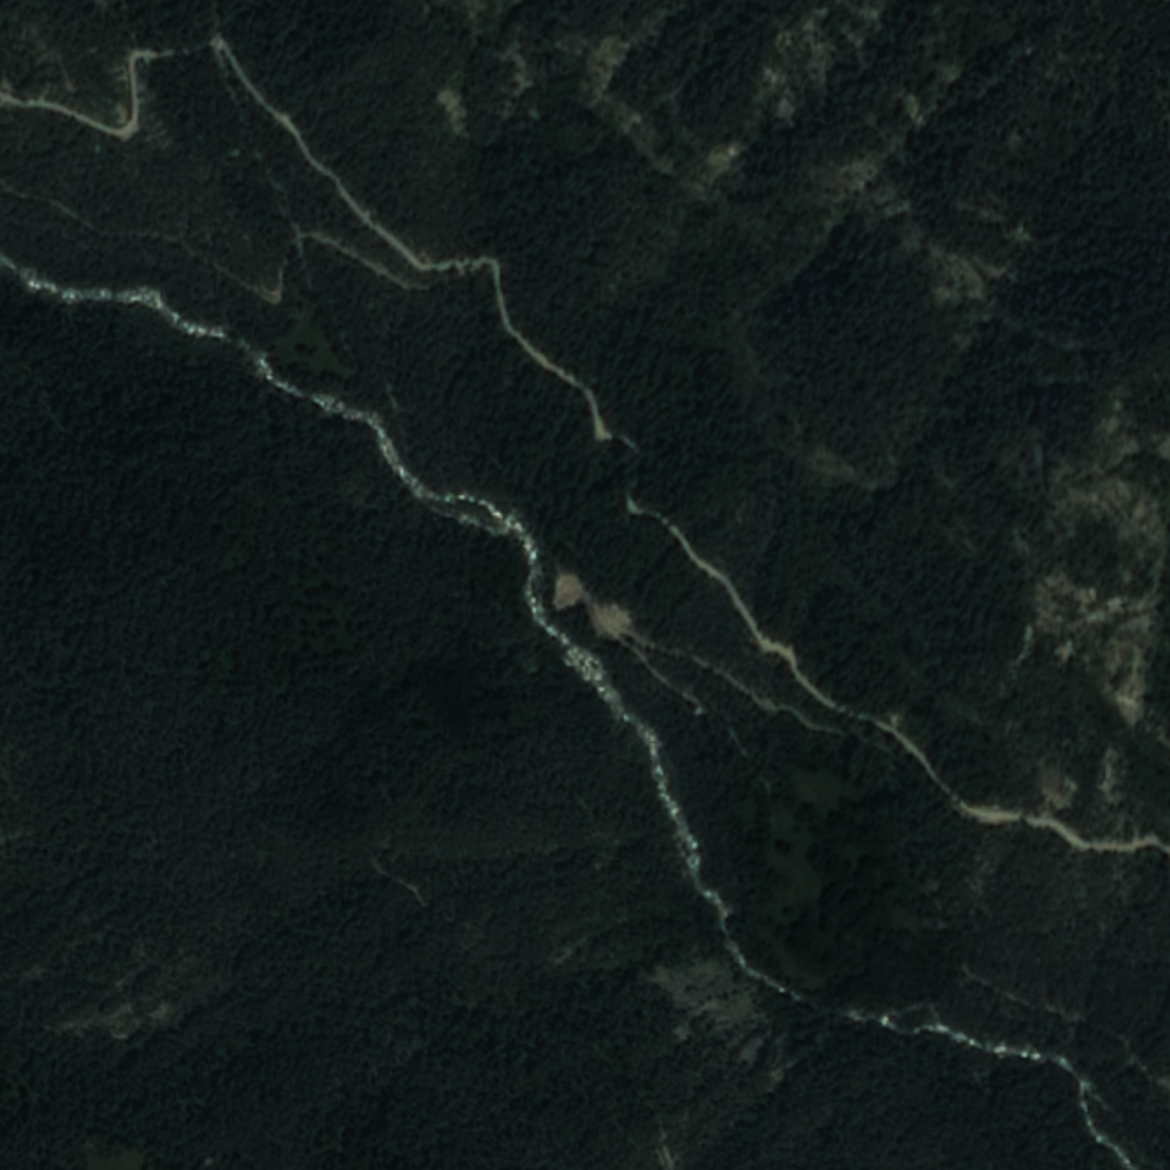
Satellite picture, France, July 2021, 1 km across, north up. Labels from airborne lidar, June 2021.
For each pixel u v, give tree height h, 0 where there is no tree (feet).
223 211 22
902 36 28
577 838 21
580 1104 72
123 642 35
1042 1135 51
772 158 29
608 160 37
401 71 25
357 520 57
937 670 53
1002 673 22
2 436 54
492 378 50
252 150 28
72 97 24
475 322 32
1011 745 22
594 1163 32
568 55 32
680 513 72
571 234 40
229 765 50
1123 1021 52
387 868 53
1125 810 33
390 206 43
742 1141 32
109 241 22
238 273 29
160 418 83
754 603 25
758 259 21
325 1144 52
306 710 52
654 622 42
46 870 48
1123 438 20
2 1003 51
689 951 30
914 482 26
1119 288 38
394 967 47
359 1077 51
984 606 25
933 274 21
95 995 31
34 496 74
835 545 36
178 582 48
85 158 24
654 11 46
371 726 52
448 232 18
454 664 74
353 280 39
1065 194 22
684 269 36
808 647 33
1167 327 31
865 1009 22
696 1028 34
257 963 51
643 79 28
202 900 32
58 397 69
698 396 69
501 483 66
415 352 32
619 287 29
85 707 47
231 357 22
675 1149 22
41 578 58
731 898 42
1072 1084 39
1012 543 19
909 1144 36
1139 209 32
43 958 40
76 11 30
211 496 46
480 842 28
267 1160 61
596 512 77
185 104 40
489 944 41
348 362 37
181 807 38
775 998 45
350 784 55
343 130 19
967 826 31
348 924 55
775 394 20
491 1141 48
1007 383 30
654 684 23
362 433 52
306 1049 60
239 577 35
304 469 45
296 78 18
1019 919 22
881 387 24
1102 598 23
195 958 35
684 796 22
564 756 53
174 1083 73
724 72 55
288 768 40
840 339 39
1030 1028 41
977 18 19
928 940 38
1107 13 24
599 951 41
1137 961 34
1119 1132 21
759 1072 22
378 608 50
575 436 58
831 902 51
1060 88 25
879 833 51
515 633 51
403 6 27
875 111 30
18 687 45
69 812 31
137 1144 85
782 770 23
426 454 37
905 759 24
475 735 49
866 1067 43
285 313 29
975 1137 45
